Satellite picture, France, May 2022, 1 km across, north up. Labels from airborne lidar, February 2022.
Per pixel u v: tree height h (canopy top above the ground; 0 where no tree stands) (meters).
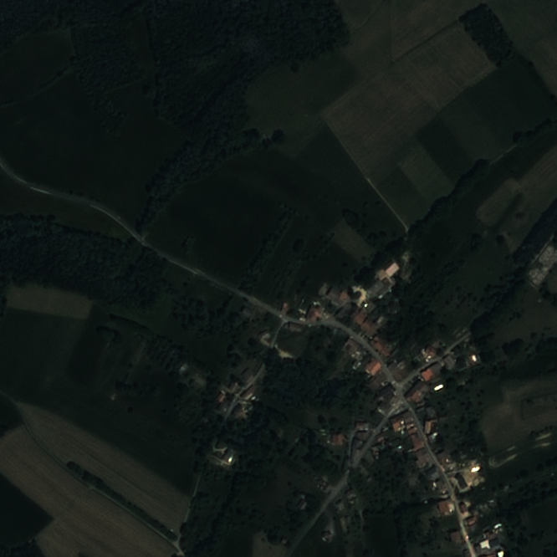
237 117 26
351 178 0
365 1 0
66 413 0
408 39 0
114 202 0
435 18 0
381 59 0
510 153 0
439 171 0
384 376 0
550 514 0
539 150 0
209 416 7
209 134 18
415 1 0
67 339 0
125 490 0
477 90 0
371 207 0
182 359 20
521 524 10
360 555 0
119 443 0
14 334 0
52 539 0
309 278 8
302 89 0
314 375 23
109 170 0
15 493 0
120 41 17
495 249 0
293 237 0
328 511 0
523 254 17
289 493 0
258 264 8
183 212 0
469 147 0
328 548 0
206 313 16
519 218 13
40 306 0
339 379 0
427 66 0
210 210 0
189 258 0
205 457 15
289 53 19
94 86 13
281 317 0
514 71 0
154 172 0
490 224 0
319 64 0
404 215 0
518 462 0
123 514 0
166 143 0
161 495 0
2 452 0
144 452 0
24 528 0
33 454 0
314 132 0
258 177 0
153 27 11
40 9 18
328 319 0
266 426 23
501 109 0
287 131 0
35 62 0
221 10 16
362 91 0
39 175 0
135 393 9
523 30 0
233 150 27
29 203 0
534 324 0
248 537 0
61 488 0
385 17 0
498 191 0
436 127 0
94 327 0
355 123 0
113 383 0
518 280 14
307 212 0
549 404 0
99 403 0
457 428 7
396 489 6
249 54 20
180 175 26
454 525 0
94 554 0
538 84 0
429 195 0
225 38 10
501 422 0
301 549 0
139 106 0
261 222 0
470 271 0
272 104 0
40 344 0
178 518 0
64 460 0
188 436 0
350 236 0
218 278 0
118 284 23
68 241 23
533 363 0
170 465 0
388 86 0
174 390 0
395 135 0
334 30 27
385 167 0
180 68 21
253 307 0
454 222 0
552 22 0
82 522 0
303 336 0
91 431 0
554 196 0
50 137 0
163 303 0
